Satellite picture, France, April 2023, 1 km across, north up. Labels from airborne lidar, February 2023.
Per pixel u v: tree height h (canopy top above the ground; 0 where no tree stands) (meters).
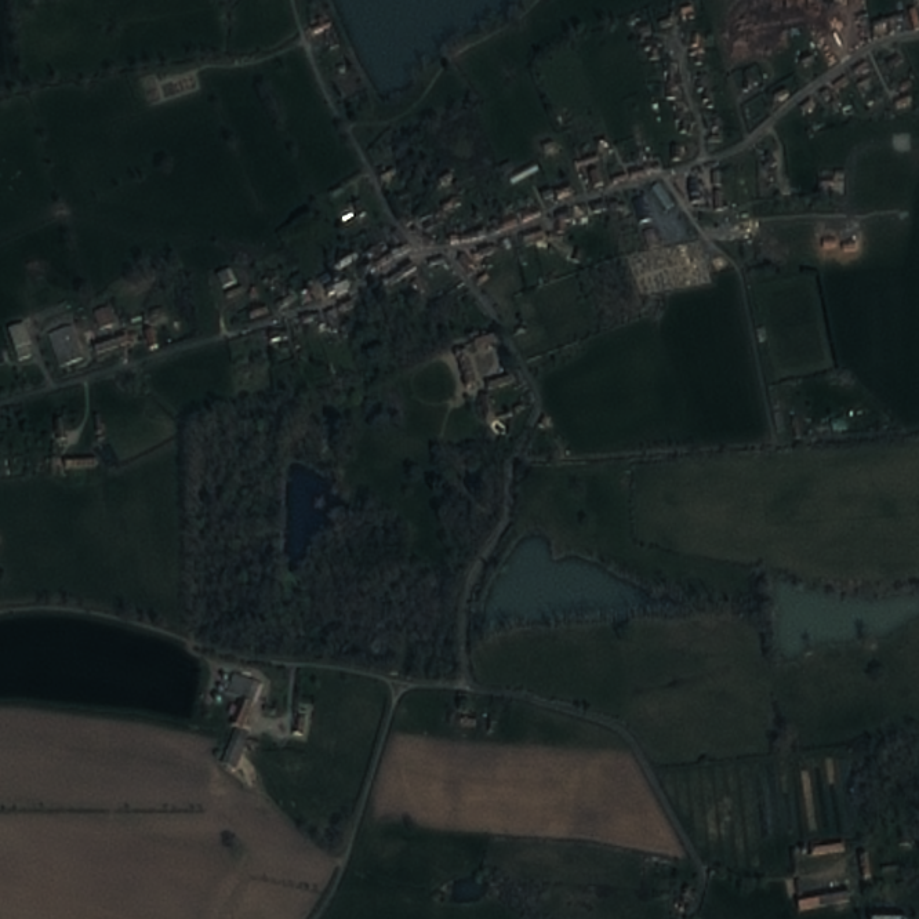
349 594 15
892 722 0
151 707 0
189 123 0
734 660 0
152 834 0
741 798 0
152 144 0
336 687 0
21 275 0
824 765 0
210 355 0
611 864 0
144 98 0
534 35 0
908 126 0
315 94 0
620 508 0
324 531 22
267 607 25
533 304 0
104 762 0
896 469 0
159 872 0
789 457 0
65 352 0
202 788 0
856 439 5
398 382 0
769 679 0
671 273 0
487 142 0
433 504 0
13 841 0
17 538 0
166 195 0
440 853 0
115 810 0
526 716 0
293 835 0
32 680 0
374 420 18
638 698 0
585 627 26
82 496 0
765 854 0
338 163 0
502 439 9
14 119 0
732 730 0
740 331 0
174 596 0
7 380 0
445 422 0
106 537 0
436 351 11
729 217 0
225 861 0
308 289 10
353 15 0
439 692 0
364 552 21
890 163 0
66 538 0
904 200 0
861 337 0
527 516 0
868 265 0
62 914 0
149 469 0
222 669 0
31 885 0
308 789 0
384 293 18
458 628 13
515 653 0
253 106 0
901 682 0
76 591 0
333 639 11
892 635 0
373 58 0
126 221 0
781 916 0
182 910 0
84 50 0
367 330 17
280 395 8
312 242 0
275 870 0
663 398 0
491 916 0
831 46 0
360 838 0
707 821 0
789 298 0
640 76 0
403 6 0
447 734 0
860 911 9
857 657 0
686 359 0
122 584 0
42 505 0
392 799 0
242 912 0
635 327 0
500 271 0
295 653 6
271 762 0
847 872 0
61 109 0
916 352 0
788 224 0
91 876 0
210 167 0
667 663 0
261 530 26
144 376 0
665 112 0
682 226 0
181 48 0
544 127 0
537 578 0
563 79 0
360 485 0
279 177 0
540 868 0
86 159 0
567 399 0
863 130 0
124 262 0
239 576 19
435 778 0
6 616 0
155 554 0
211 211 0
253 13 0
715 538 0
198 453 28
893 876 0
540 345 0
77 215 0
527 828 0
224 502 17
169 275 20
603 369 0
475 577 0
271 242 0
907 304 0
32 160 0
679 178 0
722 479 0
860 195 0
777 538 0
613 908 0
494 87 0
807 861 0
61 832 0
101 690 0
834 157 0
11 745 0
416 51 0
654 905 0
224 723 0
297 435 32
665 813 0
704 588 0
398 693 0
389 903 0
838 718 0
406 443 0
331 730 0
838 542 0
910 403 0
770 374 0
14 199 0
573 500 0
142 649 0
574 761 0
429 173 10
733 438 0
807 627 0
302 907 0
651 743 0
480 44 0
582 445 0
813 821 0
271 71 0
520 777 0
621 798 0
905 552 0
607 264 10
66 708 0
